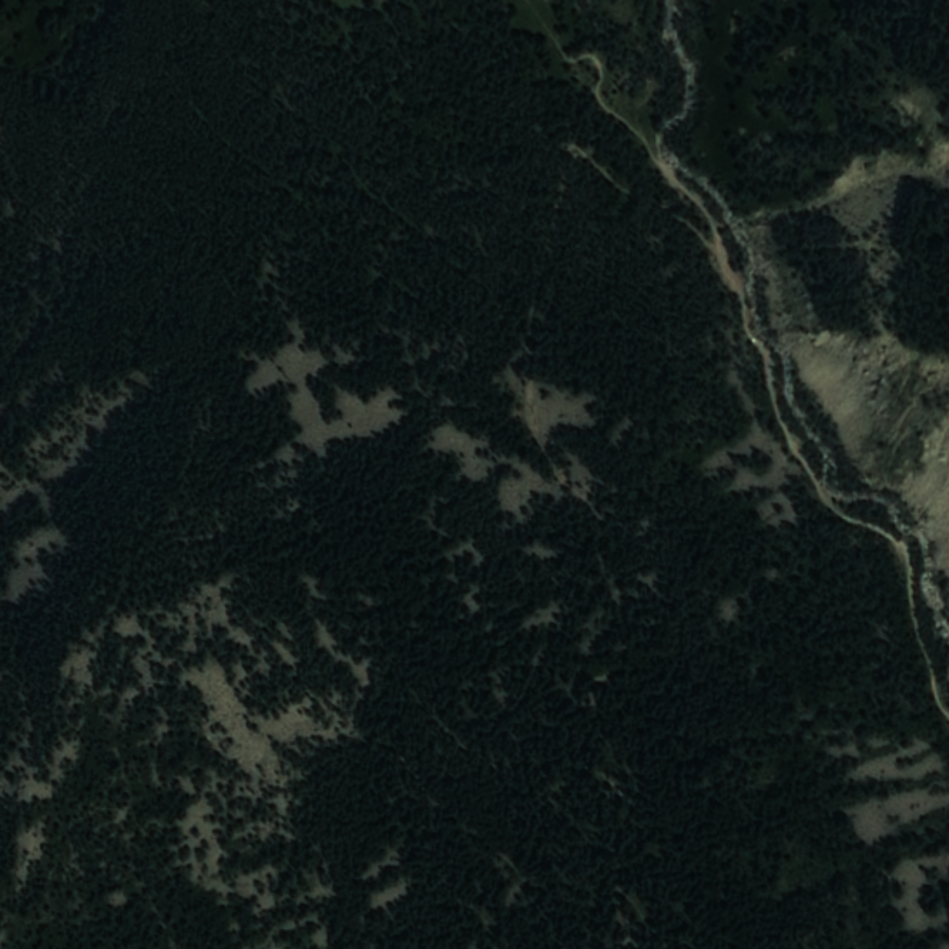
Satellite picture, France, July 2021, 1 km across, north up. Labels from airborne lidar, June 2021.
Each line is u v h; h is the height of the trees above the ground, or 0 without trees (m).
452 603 17
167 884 10
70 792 8
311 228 23
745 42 26
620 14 0
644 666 11
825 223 16
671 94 16
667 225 24
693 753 14
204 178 28
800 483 16
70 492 14
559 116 23
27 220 21
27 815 11
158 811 7
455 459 12
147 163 26
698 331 22
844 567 13
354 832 22
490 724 28
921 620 12
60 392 18
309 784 17
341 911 23
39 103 18
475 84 19
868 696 14
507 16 19
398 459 26
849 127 20
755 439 0
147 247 31
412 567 23
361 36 24
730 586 12
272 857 13
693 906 30
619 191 9
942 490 0
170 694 14
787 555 22
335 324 26
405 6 26
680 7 10
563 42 0
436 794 23
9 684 12
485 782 27
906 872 0
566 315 11
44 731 10
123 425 17
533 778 28
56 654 9
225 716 0
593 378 27
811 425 12
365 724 22
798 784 16
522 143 11
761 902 27
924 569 10
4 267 16
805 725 18
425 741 23
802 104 19
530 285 26
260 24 29
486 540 23
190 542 8
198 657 17
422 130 9
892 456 0
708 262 8
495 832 23
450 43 13
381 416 0
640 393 26
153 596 20
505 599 16
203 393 10
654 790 24
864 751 10
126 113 23
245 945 7
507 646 10
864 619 11
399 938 25
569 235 26
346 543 25
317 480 17
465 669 24
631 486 21
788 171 12
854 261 12
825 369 0
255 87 28
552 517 10
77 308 27
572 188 23
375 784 7
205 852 15
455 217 25
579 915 27
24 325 23
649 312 22
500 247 22
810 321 0
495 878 22
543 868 26
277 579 17
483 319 22
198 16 27
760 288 8
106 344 32
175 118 27
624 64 14
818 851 13
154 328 27
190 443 10
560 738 28
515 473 12
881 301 7
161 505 8
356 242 26
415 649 19
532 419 0
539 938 25
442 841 26
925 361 0
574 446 23
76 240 22
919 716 25
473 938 11
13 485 6
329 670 11
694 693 28
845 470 11
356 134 24
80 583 12
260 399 17
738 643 25
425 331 23
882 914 14
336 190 31
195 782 9
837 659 10
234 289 17
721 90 0
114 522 10
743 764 13
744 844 23
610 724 16
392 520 23
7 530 15
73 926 10
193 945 12
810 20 28
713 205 16
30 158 27
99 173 20
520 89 18
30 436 13
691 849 26
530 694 26
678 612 26
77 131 22
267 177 28
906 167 0
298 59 25
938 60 27
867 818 0
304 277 22
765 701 24
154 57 29
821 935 13
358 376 23
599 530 23
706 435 24
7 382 27
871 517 9
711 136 0
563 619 12
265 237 14
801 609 17
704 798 27
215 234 18
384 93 20
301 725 0
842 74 17
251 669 23
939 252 26
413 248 25
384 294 32
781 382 10
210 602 8
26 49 0
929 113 0
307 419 0
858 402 0
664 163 0
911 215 24
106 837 9
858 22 22
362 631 18
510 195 23
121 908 8
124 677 15
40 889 13
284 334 25
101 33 24
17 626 7
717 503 13
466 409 25
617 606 28
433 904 19
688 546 22
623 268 23
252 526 17
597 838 30
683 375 7
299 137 32
